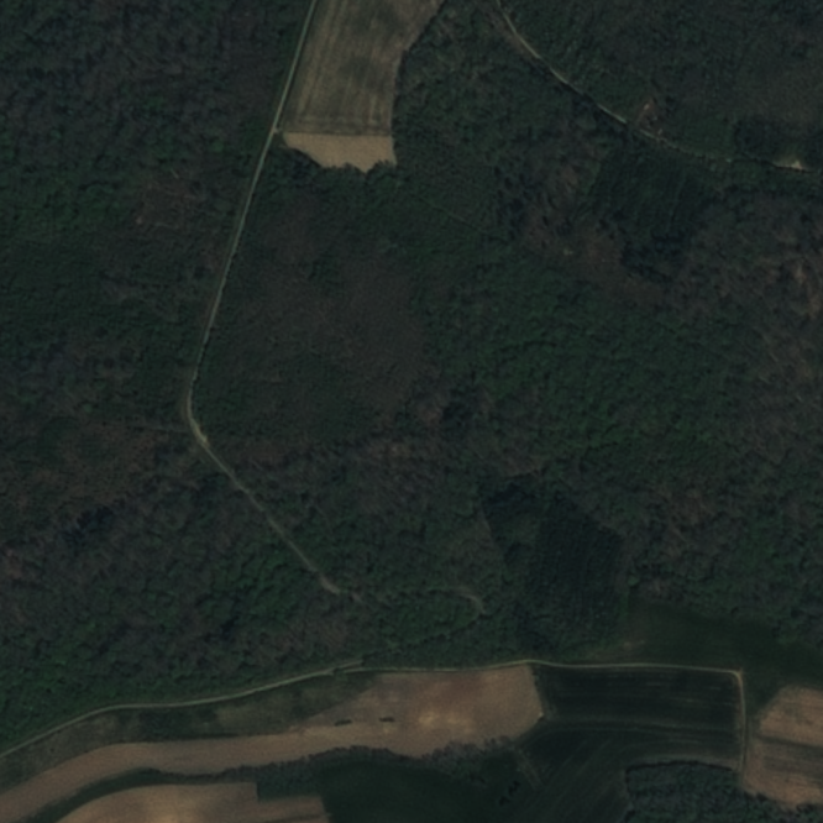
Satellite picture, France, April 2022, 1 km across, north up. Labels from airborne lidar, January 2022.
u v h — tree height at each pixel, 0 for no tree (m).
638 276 25
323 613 27
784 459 26
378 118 0
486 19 21
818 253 21
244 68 20
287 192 17
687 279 23
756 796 0
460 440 26
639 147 18
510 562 25
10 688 23
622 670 0
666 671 0
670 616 0
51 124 28
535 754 0
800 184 9
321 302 9
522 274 22
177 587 25
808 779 0
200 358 0
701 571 27
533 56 0
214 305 0
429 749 0
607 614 10
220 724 0
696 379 22
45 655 24
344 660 21
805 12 21
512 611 23
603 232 8
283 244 9
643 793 9
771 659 0
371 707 0
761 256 25
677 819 12
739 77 16
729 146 12
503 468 29
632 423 26
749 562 29
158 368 7
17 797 0
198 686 21
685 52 21
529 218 24
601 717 0
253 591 15
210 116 29
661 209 6
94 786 0
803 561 31
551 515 10
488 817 0
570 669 0
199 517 17
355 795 0
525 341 25
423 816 0
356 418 9
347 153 0
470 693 0
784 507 29
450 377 23
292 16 16
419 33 0
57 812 0
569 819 0
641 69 19
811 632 11
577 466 12
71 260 8
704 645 0
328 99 0
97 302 6
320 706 0
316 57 0
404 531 28
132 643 31
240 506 27
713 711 0
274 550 24
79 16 27
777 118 20
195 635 26
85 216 23
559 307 9
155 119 17
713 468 9
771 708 0
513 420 26
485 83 17
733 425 28
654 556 17
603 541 13
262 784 7
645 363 23
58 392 27
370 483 29
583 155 23
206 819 0
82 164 27
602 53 19
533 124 27
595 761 0
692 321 24
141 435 6
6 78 30
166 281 6
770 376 25
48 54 24
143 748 0
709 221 27
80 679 30
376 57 0
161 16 15
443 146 16
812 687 0
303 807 0
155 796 0
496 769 0
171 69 21
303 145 0
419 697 0
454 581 25
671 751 0
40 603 30
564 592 8
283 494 29
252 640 26
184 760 0
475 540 24
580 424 28
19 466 8
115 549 25
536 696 0
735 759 0
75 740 0
